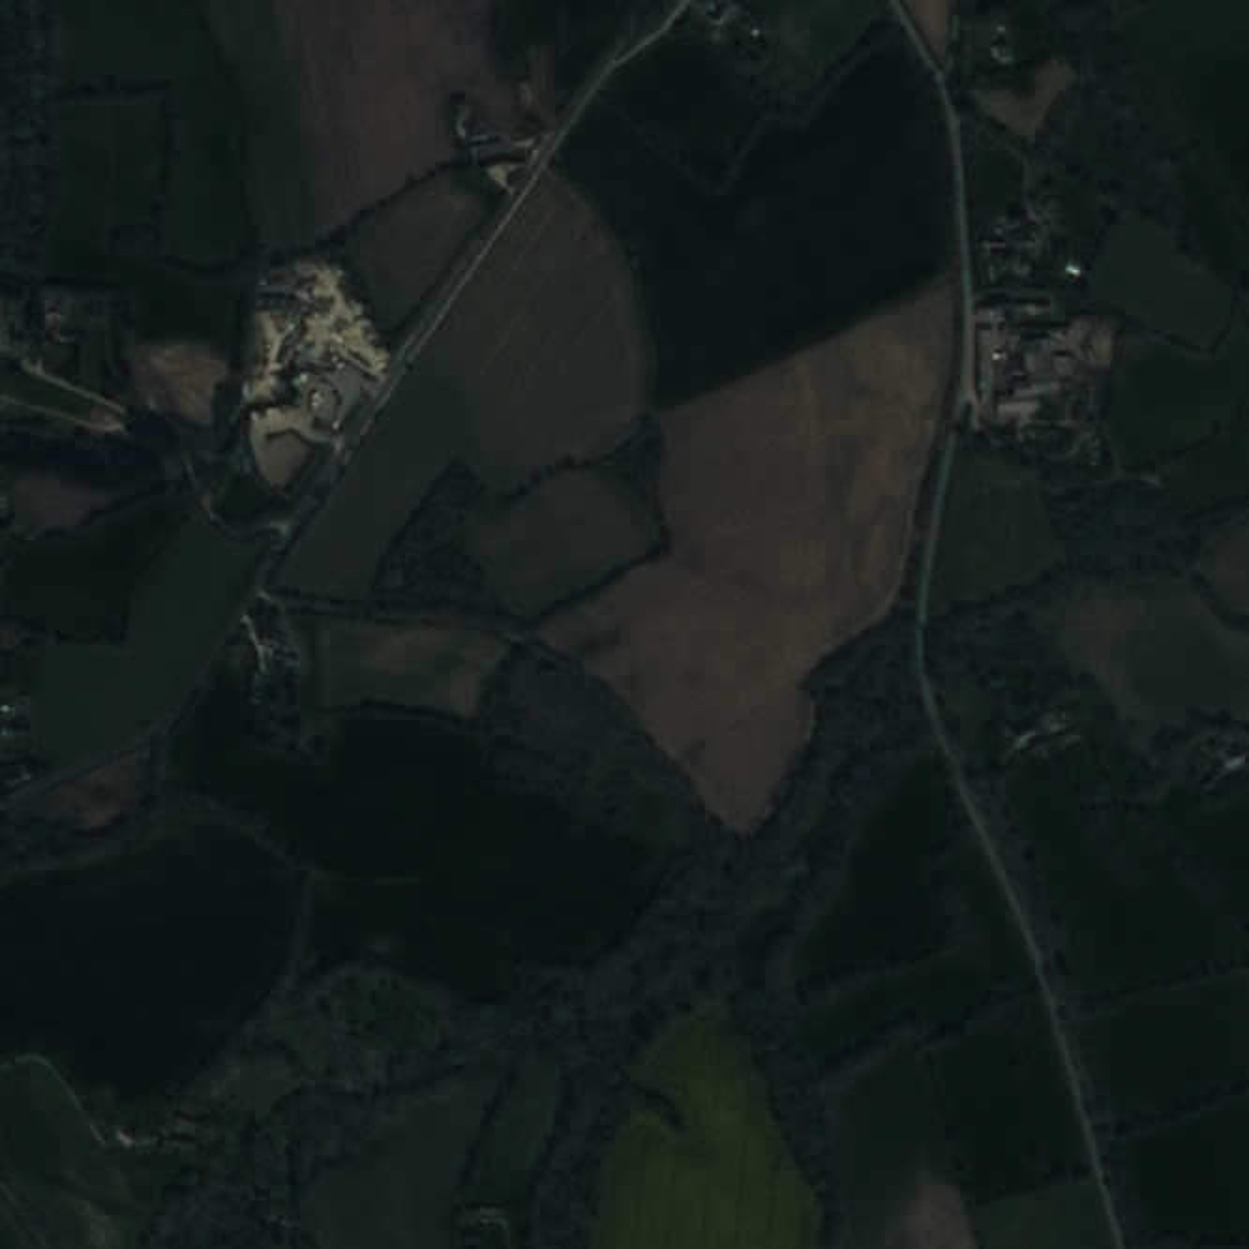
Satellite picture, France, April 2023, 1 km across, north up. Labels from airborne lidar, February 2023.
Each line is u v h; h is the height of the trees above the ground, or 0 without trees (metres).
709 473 0
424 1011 6
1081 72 12
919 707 19
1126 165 0
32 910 0
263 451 0
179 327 0
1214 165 11
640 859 0
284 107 0
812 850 0
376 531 0
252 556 0
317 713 0
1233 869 0
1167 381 0
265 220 0
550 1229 13
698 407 0
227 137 0
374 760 0
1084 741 7
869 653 16
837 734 18
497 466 0
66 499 0
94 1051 0
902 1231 0
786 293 0
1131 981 0
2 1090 0
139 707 0
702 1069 0
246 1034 11
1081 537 8
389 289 0
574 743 10
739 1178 0
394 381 0
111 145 0
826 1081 11
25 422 7
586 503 0
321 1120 18
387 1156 0
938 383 0
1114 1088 0
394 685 0
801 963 0
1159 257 0
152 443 13
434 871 0
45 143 15
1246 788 12
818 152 0
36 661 0
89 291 10
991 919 0
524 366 0
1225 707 0
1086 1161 0
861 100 0
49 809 0
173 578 0
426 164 0
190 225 0
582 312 0
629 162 0
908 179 0
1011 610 11
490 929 0
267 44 0
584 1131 7
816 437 0
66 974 0
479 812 0
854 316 0
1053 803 0
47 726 0
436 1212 0
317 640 0
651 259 0
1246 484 0
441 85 0
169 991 0
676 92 0
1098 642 0
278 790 0
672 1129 11
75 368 13
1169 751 19
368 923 0
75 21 0
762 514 0
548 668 11
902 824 0
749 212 0
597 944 0
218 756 0
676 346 0
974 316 0
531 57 0
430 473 0
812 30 0
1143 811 7
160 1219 18
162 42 0
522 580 0
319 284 0
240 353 11
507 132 0
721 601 0
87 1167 0
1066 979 15
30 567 0
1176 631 0
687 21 6
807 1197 0
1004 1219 0
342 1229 0
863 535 0
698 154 0
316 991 10
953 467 0
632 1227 0
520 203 0
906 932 0
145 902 0
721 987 14
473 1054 9
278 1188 18
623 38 0
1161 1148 0
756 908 10
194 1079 6
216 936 0
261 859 0
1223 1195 0
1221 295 0
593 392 0
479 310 0
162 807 7
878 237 0
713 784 0
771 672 0
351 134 0
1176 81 0
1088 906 0
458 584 7
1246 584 0
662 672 0
